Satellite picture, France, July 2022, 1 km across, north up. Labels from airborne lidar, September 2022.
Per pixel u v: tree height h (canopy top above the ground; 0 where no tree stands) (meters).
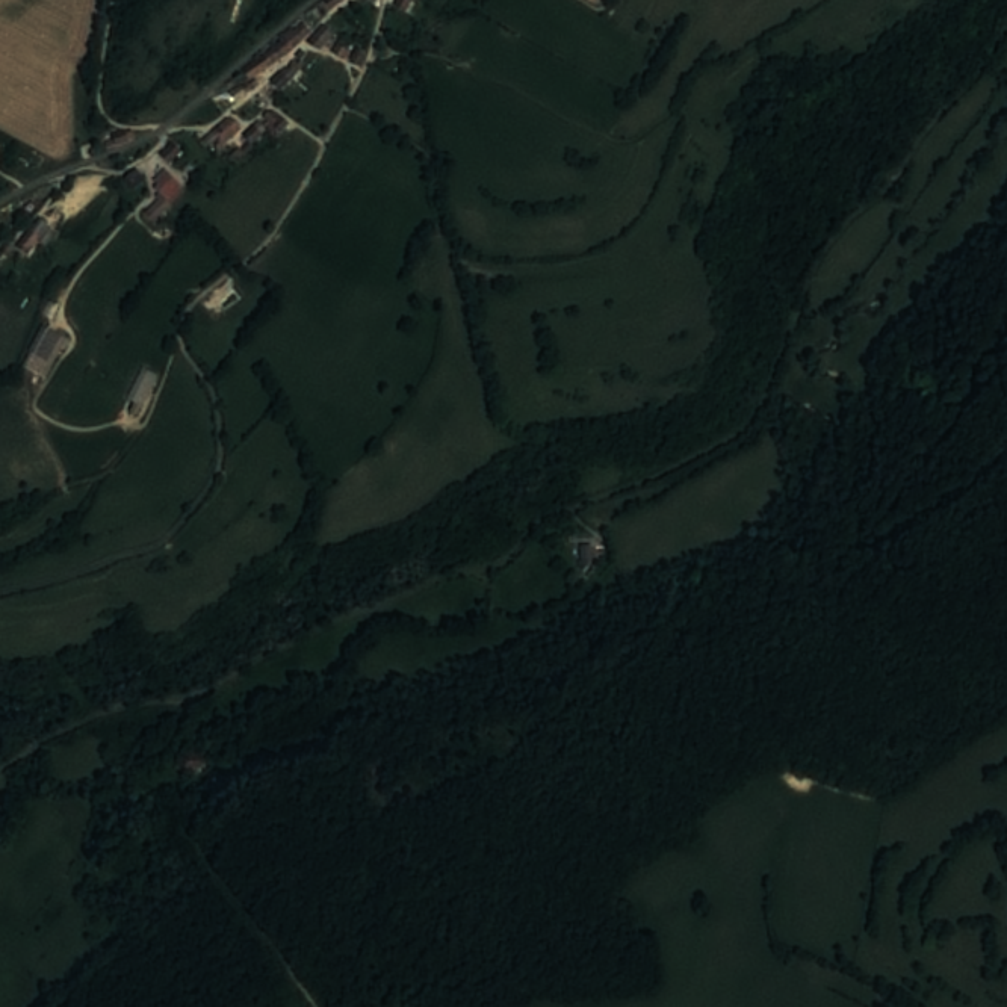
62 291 0
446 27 0
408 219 0
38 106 0
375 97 0
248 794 30
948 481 24
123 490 0
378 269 0
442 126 0
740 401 14
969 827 12
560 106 0
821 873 0
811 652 17
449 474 0
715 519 0
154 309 0
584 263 0
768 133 19
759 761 19
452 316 0
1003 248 26
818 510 20
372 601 30
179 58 9
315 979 9
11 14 0
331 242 0
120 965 21
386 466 0
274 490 0
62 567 0
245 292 0
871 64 23
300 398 0
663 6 0
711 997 0
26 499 14
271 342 0
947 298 25
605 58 0
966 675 18
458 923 23
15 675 17
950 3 25
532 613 19
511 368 0
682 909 0
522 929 18
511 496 23
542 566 0
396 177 0
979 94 0
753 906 0
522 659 24
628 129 0
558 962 20
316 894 18
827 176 16
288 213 0
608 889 20
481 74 0
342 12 11
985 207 0
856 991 0
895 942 0
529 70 0
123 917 18
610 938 19
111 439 0
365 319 0
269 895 20
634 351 0
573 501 6
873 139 25
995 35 19
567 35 0
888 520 22
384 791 17
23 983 0
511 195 0
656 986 22
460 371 0
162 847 15
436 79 0
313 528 15
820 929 0
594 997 22
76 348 0
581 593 8
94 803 21
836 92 23
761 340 13
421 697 21
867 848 0
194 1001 20
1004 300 26
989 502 16
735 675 18
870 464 11
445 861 18
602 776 21
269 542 0
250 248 0
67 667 21
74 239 0
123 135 0
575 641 25
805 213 12
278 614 17
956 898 0
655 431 18
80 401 0
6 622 0
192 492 0
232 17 0
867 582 23
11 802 22
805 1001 0
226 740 17
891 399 22
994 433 10
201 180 14
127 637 19
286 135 0
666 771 20
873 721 19
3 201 0
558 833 20
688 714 20
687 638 24
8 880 0
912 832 0
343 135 0
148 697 31
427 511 8
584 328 0
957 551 14
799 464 7
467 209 0
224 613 12
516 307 0
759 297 22
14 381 10
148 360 0
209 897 22
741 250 14
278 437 0
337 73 0
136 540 0
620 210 0
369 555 19
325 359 0
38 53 0
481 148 0
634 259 0
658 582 23
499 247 0
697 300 0
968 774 0
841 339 18
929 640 18
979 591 20
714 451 10
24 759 7
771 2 0
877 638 17
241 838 20
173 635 6
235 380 0
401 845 13
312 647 0
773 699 24
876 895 9
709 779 21
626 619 24
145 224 0
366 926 20
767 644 17
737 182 12
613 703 13
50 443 0
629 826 24
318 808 19
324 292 0
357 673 22
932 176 7
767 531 24
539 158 0
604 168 0
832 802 0
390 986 6
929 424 23
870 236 0
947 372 23
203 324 0
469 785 12
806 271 17
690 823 21
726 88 0
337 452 0
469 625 20
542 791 12
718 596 25
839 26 0
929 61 21
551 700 34
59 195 15
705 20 0
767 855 0
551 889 20
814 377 10
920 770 16
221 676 13
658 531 0
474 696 28
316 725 9
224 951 21
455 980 11
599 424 14
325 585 30
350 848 18
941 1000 0
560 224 0
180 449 0
